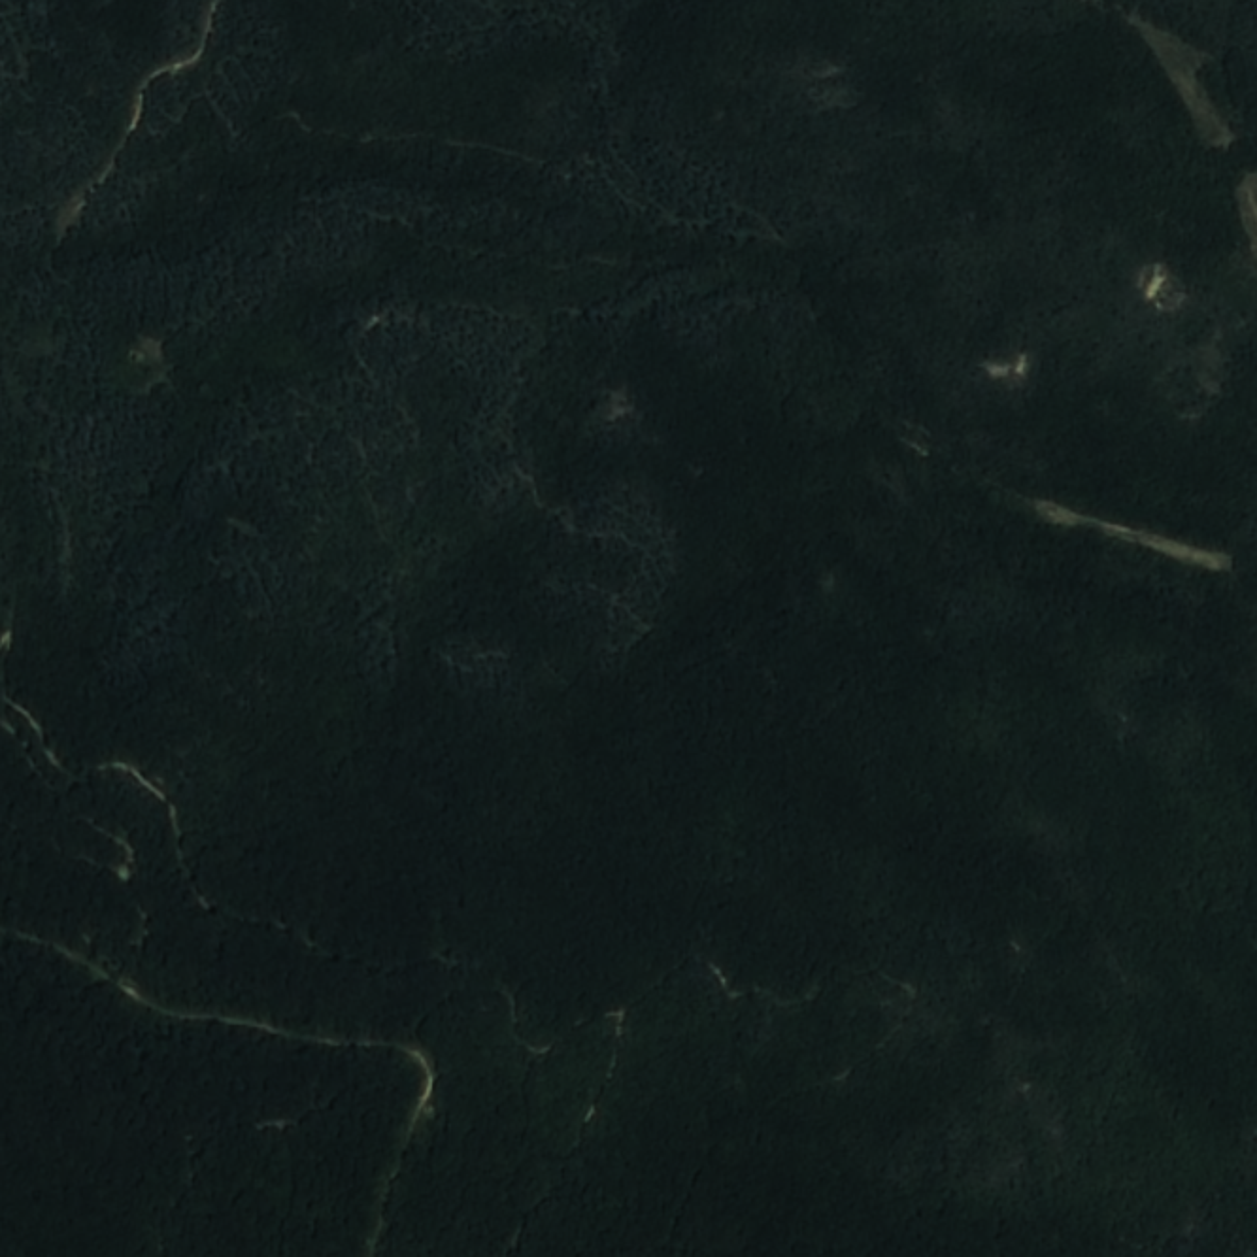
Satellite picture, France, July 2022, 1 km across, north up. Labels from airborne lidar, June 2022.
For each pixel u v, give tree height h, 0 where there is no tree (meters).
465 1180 18
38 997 12
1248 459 6
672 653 13
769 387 11
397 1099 12
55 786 16
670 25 9
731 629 13
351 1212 16
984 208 8
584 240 10
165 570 10
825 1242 15
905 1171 9
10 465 8
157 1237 11
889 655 9
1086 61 11
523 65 11
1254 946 12
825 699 11
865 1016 10
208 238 12
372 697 23
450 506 7
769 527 14
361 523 5
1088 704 9
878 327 9
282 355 9
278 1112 15
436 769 13
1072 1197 10
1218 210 12
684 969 12
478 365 14
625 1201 14
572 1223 23
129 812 10
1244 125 7
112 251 17
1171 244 8
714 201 14
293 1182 11
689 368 13
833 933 12
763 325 7
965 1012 9
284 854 21
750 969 11
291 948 20
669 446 8
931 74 6
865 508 7
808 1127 14
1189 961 8
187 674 11
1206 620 13
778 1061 14
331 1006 17
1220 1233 8
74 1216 21
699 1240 23
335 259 14
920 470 6
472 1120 13
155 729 10
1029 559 9
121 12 12
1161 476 11
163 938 18
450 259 8
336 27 8
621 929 14
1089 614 9
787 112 7
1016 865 12
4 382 10
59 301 18
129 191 11
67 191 10
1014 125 7
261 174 14
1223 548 9
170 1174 16
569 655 10
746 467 13
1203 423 6
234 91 15
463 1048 14
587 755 13
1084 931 13
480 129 7
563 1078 9
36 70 10
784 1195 20
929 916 11
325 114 7
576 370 6
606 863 12
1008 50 10
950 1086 12
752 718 12
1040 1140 8
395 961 17
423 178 15
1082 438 12
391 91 6
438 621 15
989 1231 22
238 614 12
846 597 8
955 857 13
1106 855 11
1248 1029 13
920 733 13
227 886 22
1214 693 14
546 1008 12
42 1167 23
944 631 9
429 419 8
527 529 8
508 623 13
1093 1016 9
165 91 13
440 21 15
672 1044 12
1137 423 8
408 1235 21
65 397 6
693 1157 18
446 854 15
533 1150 15
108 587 20
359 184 19
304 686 19
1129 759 9
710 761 13
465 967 12
